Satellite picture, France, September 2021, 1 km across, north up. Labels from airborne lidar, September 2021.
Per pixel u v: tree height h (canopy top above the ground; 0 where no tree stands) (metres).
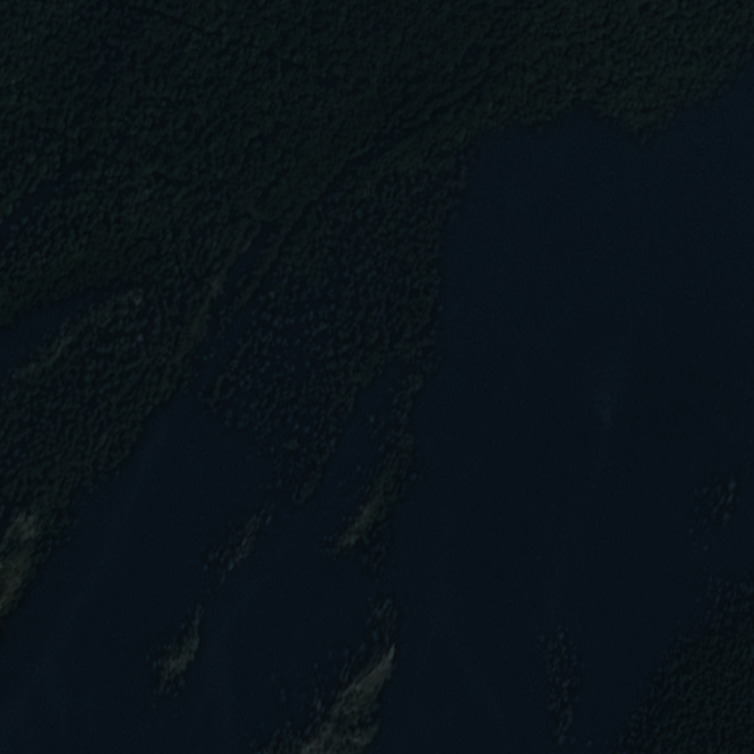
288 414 29
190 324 33
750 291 18
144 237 21
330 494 26
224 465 28
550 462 26
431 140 22
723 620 13
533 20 21
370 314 30
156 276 21
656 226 20
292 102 24
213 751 14
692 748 6
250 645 32
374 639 19
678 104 12
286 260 16
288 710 11
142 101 16
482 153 24
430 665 12
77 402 18
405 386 13
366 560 35
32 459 37
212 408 17
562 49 23
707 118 18
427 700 16
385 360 27
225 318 16
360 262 26
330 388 30
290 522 22
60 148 17
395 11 22
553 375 21
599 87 22
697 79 17
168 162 18
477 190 23
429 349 34
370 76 23
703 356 6
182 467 15
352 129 23
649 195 21
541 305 18
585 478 30
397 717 31
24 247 34
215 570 29
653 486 12
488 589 32
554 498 20
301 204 21
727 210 21
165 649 18
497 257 27
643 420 11
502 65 23
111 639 16
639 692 12
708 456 12
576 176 15
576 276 17
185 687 16
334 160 20
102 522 21
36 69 14
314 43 25
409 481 38
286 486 25
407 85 21
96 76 17
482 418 19
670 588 16
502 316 19
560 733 6
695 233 23
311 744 9
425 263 27
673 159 17
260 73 23
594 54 19
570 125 18
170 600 33
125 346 36
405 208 22
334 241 18
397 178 17
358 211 25
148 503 19
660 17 22
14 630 11
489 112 20
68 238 34
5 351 18
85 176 28
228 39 15
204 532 12
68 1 13
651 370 16
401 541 26
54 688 0
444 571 0
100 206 29
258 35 22
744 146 23
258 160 20
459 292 21
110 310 7
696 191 23
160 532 30
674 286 20
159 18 10
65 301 22
